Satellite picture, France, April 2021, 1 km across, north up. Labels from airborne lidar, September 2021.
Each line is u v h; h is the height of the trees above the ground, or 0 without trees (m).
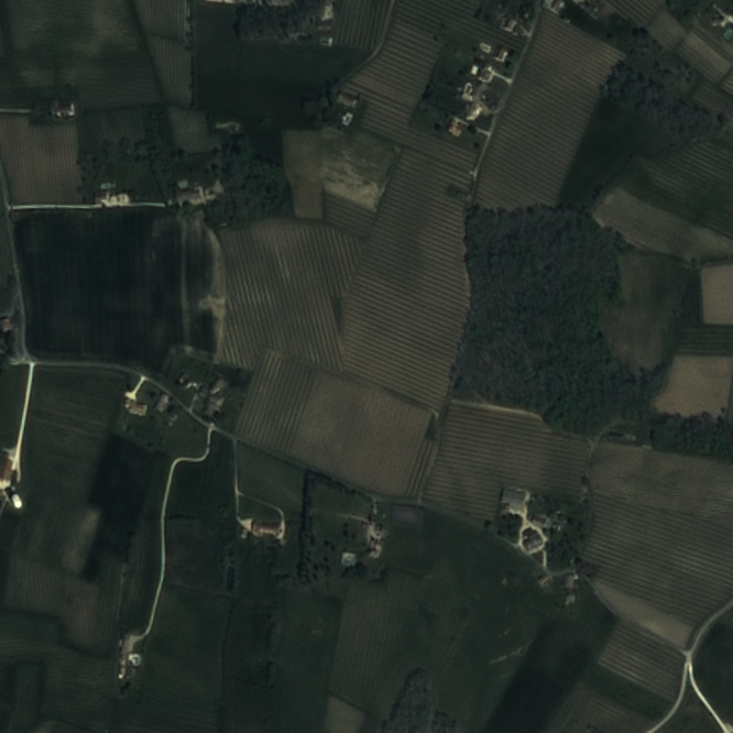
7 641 0
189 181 0
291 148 0
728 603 0
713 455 12
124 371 0
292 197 0
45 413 0
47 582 0
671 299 0
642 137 0
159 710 0
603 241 21
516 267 17
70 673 0
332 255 0
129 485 0
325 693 0
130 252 0
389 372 0
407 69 0
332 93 17
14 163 0
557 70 0
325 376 0
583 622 0
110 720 0
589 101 0
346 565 0
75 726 0
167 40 0
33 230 0
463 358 14
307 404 0
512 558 0
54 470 0
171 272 0
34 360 0
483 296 19
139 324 0
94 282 0
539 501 8
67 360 0
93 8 0
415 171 0
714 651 0
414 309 0
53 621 0
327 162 0
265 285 0
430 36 0
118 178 0
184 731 0
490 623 0
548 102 0
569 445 0
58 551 0
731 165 0
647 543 0
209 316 0
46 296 0
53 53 0
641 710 0
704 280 0
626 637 0
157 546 0
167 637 0
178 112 0
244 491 0
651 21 0
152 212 0
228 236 0
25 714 0
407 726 20
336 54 0
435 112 0
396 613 0
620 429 0
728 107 0
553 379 25
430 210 0
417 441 0
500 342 17
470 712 0
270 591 6
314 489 14
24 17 0
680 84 15
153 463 0
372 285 0
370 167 0
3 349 10
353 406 0
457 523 0
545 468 0
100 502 0
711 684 0
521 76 0
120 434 0
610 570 0
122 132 0
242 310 0
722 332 0
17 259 0
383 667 0
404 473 0
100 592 0
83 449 0
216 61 0
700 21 0
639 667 0
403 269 0
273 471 0
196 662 0
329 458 0
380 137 0
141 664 0
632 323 0
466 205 0
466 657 0
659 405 0
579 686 0
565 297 21
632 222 0
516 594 0
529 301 21
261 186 20
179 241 0
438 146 0
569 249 20
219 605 0
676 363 0
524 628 0
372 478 0
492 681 0
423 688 17
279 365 0
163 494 0
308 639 0
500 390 20
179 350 0
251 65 0
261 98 0
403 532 0
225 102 0
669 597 0
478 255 12
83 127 0
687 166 0
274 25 22
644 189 0
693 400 0
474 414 0
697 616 0
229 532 9
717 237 0
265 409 0
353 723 0
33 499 0
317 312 0
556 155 0
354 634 0
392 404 0
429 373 0
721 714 0
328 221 0
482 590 0
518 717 0
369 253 0
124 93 0
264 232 0
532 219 21
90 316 0
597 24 0
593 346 21
